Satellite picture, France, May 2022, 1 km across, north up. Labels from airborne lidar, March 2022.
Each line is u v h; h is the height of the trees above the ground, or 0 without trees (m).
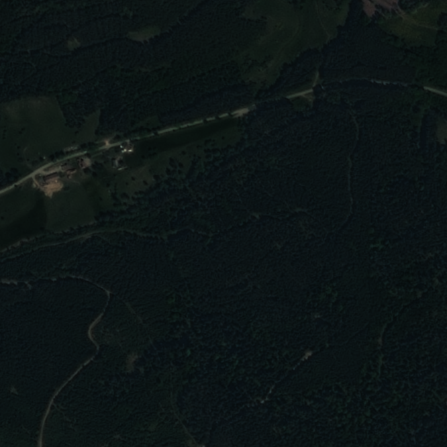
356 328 16
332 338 17
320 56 25
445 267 32
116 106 20
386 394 36
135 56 26
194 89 12
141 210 19
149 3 11
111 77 19
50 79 20
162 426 8
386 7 0
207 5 25
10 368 18
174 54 25
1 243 0
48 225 0
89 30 21
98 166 16
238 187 13
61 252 7
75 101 23
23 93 22
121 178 0
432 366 12
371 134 17
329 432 30
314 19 0
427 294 14
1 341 23
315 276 26
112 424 12
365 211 18
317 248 21
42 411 14
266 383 38
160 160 0
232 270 20
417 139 26
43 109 0
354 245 16
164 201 29
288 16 0
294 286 24
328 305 25
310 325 28
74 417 10
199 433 25
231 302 22
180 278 18
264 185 17
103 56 27
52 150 0
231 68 10
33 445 9
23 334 18
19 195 0
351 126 12
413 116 6
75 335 13
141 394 16
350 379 16
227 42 9
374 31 22
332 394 28
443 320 8
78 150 8
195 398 21
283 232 20
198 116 25
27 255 9
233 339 35
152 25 10
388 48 25
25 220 0
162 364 27
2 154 0
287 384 16
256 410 26
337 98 21
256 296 16
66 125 8
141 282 20
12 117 0
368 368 7
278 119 31
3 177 22
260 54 0
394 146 20
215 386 27
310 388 10
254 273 21
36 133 0
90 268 21
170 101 13
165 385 7
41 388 13
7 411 13
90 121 0
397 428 9
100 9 22
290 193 19
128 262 22
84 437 7
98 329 5
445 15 20
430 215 30
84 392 10
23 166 0
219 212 17
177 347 37
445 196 25
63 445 8
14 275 9
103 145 0
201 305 21
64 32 26
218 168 31
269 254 24
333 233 17
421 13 0
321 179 14
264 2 0
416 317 14
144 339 6
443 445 26
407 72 28
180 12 12
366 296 13
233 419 25
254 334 27
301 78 25
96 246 9
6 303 22
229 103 31
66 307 17
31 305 21
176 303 12
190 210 17
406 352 24
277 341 28
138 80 9
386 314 13
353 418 28
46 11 22
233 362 28
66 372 18
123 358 10
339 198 16
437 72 12
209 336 28
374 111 24
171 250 18
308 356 0
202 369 30
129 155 0
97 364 6
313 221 17
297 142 25
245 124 28
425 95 22
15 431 8
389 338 15
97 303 18
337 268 18
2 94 22
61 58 17
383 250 27
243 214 16
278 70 0
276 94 18
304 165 14
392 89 28
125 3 19
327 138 12
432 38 0
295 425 28
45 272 9
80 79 21
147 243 13
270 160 17
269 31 0
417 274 9
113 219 22
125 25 21
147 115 13
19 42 19
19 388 12
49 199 0
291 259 18
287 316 21
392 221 29
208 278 26
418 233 23
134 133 13
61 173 0
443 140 0
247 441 26
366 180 17
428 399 13
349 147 14
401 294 28
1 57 25
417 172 20
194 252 24
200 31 25
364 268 12
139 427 10
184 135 0
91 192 0
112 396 9
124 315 10
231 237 21
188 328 33
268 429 25
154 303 10
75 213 0
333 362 18
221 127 0
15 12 6
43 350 18
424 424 26
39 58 18
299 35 0
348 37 23
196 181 32
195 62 10
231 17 12
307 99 0
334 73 27
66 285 17
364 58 25
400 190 32
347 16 0
